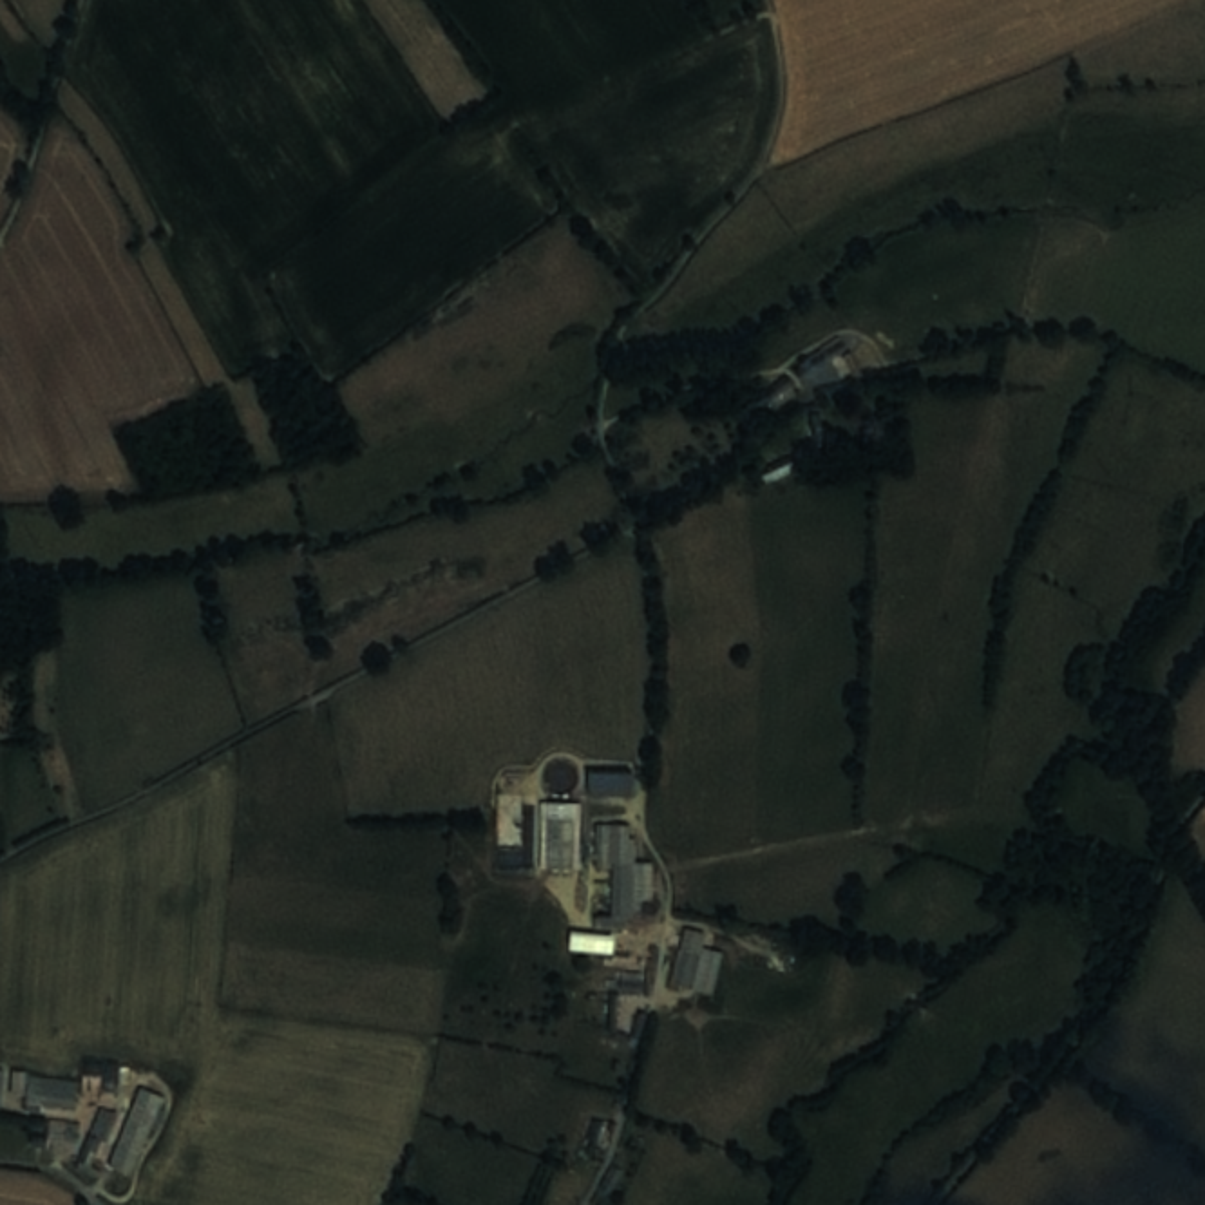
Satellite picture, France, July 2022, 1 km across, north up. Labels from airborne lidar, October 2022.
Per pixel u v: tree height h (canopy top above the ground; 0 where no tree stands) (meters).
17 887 0
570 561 21
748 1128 0
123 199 5
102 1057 0
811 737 0
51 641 18
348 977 0
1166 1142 10
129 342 0
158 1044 0
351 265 0
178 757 0
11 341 0
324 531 0
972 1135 0
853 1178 0
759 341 29
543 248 0
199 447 6
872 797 0
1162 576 0
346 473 0
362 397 0
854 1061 10
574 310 0
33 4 0
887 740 0
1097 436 0
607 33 0
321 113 0
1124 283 0
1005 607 13
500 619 0
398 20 0
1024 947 0
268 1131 0
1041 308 0
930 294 0
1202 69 0
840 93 0
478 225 0
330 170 0
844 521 0
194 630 0
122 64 0
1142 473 0
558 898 0
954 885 0
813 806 0
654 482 0
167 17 0
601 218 0
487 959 0
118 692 0
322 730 0
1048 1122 0
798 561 0
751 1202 0
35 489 0
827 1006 0
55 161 0
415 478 0
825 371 0
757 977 0
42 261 0
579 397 0
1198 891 16
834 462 22
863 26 0
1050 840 13
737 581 0
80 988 0
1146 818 0
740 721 0
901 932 0
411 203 0
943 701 0
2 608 22
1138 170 0
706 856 0
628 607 0
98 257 0
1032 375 0
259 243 0
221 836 0
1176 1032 0
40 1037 0
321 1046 0
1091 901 11
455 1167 0
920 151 0
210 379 0
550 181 13
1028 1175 0
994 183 0
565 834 0
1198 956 0
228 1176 0
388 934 0
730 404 19
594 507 0
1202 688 0
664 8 0
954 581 0
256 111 0
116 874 0
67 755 0
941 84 0
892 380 17
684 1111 0
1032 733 0
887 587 0
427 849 0
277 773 0
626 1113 8
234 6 0
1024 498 0
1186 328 0
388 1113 0
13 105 14
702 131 0
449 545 0
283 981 0
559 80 0
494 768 0
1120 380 0
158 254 0
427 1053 0
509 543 0
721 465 13
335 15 0
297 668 0
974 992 0
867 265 23
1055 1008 0
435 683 0
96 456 0
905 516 0
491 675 0
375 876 0
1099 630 0
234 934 0
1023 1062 20
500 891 0
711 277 0
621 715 0
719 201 0
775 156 0
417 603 0
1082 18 0
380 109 0
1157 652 0
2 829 0
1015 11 0
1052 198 0
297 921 0
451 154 0
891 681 0
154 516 0
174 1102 0
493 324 0
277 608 0
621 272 12
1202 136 0
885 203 0
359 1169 0
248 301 0
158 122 0
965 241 0
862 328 0
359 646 0
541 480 22
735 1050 0
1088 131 0
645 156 0
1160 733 19
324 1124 0
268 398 19
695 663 0
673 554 0
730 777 0
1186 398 0
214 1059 0
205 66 0
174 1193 0
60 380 0
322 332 0
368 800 0
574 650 0
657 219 0
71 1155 0
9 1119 11
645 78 0
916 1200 0
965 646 0
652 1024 10
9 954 0
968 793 0
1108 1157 0
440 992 0
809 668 0
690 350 31
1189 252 0
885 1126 0
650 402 20
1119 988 17
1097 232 0
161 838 0
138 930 0
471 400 0
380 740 0
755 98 0
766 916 0
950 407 0
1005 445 0
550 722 0
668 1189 0
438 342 0
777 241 0
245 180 0
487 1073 0
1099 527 0
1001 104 0
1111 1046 0
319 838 0
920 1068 0
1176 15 0
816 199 0
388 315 0
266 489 0
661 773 10
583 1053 0
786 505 0
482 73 14
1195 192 0
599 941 0
